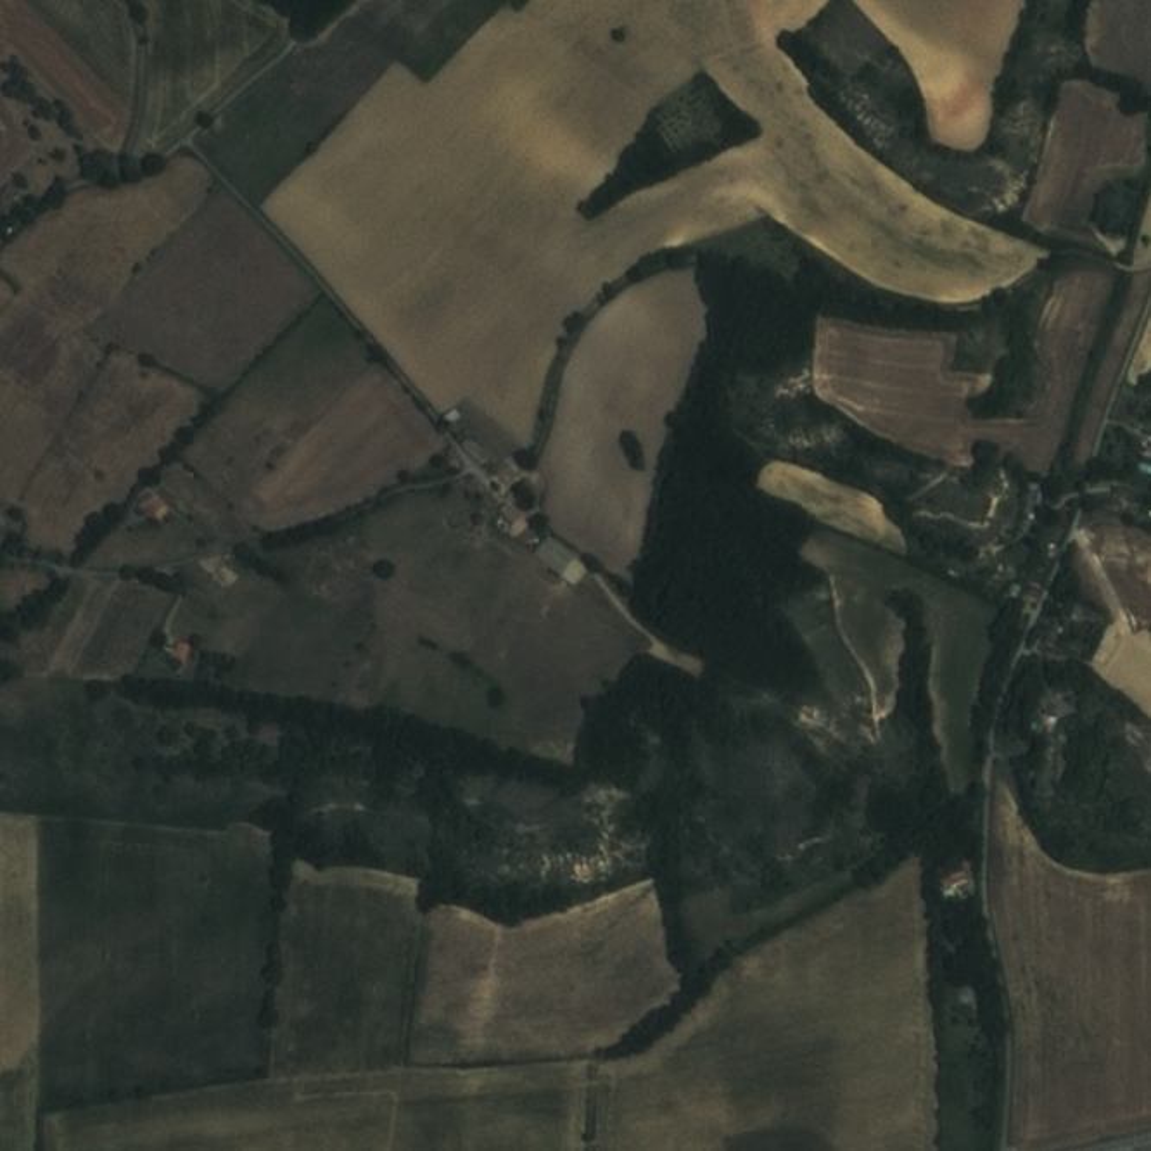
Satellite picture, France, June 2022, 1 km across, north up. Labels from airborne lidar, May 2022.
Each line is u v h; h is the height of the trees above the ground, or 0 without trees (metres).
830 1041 0
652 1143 0
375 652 0
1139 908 0
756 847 7
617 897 0
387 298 0
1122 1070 0
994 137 8
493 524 0
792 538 20
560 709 0
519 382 0
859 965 0
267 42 0
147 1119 0
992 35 0
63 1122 0
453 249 0
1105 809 9
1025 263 0
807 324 12
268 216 0
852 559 0
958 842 18
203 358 0
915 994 0
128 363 0
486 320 0
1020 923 0
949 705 0
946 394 0
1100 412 0
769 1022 0
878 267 0
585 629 0
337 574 0
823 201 0
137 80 0
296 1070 0
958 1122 0
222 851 0
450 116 0
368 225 0
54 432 0
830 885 0
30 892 0
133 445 0
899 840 17
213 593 0
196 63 0
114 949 0
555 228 0
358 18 0
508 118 0
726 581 21
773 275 14
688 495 19
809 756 6
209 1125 0
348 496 0
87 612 0
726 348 13
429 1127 0
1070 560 7
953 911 15
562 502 0
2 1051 0
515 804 0
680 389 0
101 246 0
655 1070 0
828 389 0
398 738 15
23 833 0
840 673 0
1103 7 0
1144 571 0
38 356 0
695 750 7
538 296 0
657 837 8
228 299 0
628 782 9
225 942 0
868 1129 0
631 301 0
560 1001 0
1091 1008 0
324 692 0
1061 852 9
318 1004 0
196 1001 0
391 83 0
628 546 0
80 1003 0
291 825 17
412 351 0
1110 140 0
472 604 0
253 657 0
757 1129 0
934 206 0
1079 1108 0
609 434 0
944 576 6
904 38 0
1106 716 8
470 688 0
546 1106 0
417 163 0
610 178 10
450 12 0
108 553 0
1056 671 11
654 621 12
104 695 11
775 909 0
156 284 0
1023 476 13
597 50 0
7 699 0
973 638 0
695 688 12
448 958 0
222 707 10
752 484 15
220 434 0
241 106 0
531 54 0
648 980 0
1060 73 10
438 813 12
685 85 0
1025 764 14
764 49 0
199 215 0
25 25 0
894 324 11
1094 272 0
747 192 0
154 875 0
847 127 10
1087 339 0
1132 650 0
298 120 0
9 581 0
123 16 0
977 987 14
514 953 0
